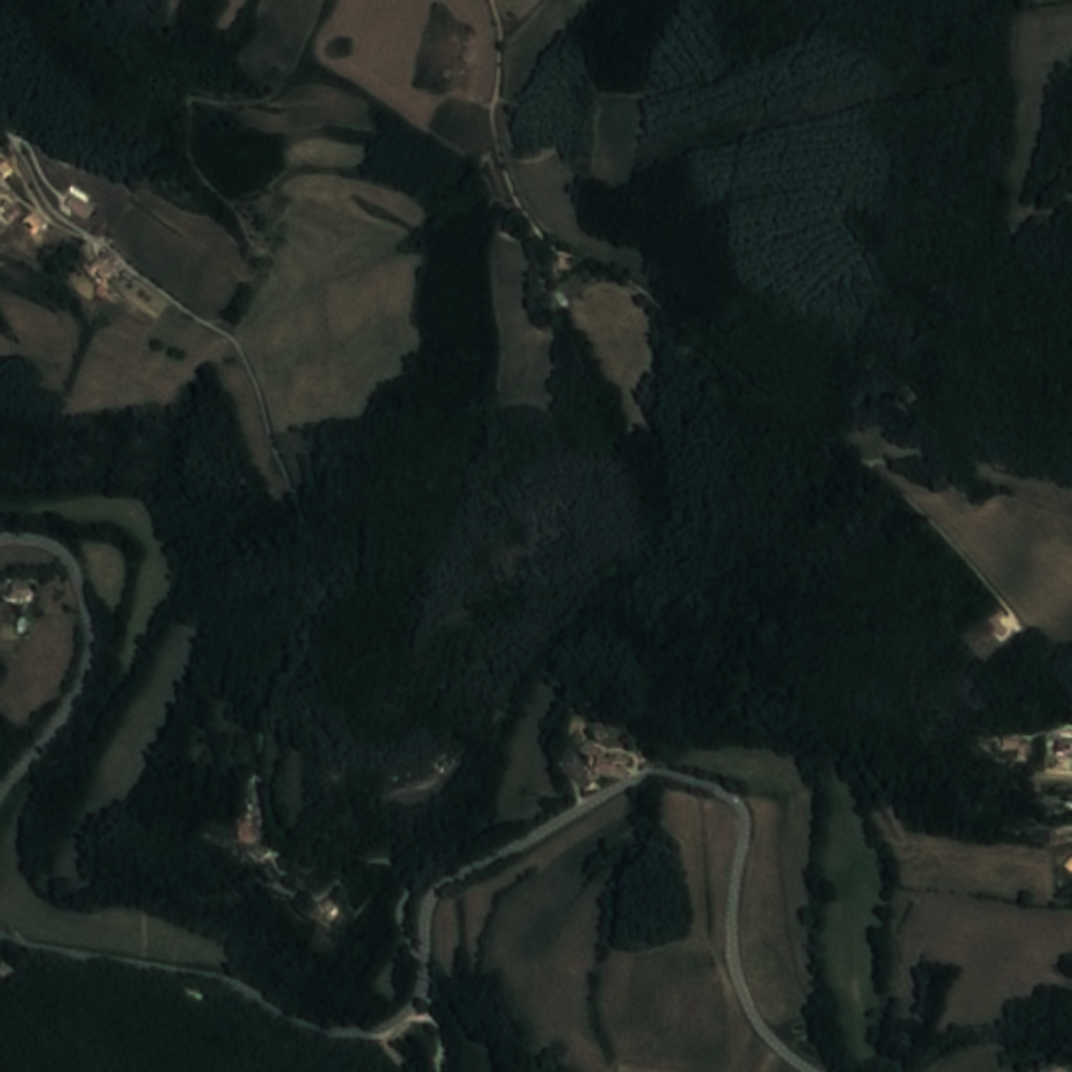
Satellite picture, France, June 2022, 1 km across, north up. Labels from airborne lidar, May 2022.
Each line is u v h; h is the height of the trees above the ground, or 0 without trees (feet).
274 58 0
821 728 66
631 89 34
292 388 0
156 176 49
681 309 38
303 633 64
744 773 0
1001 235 73
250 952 75
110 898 77
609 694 53
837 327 38
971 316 67
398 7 0
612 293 0
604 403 64
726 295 57
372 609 37
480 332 22
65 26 53
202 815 55
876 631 80
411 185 60
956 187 71
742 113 54
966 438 58
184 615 81
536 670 66
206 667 67
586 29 22
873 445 0
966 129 38
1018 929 0
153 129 44
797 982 0
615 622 87
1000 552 0
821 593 64
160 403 0
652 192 43
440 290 19
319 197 0
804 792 0
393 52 0
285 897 18
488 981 37
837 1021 65
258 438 0
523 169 0
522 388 0
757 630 69
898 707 29
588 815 0
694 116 52
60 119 105
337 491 57
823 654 44
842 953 0
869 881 0
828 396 52
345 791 19
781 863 0
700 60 53
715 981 0
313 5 0
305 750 40
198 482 41
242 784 38
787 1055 0
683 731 56
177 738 52
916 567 47
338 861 55
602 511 57
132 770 0
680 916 93
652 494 83
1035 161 43
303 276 0
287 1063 64
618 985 0
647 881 108
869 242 35
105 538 44
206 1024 52
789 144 46
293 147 0
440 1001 61
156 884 90
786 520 51
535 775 0
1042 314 79
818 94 44
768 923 0
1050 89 38
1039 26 0
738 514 56
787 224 45
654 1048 0
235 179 19
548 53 48
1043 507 0
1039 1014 72
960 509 0
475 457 32
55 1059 60
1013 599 0
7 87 98
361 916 28
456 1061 70
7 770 52
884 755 65
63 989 49
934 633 43
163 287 27
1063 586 0
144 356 0
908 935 0
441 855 68
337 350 0
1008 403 68
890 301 61
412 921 39
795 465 73
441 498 48
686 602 115
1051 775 0
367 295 0
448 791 45
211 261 0
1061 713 26
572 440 51
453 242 20
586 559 72
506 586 39
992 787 40
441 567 46
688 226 40
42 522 66
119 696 65
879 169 47
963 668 35
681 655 75
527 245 38
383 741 34
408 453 69
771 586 63
